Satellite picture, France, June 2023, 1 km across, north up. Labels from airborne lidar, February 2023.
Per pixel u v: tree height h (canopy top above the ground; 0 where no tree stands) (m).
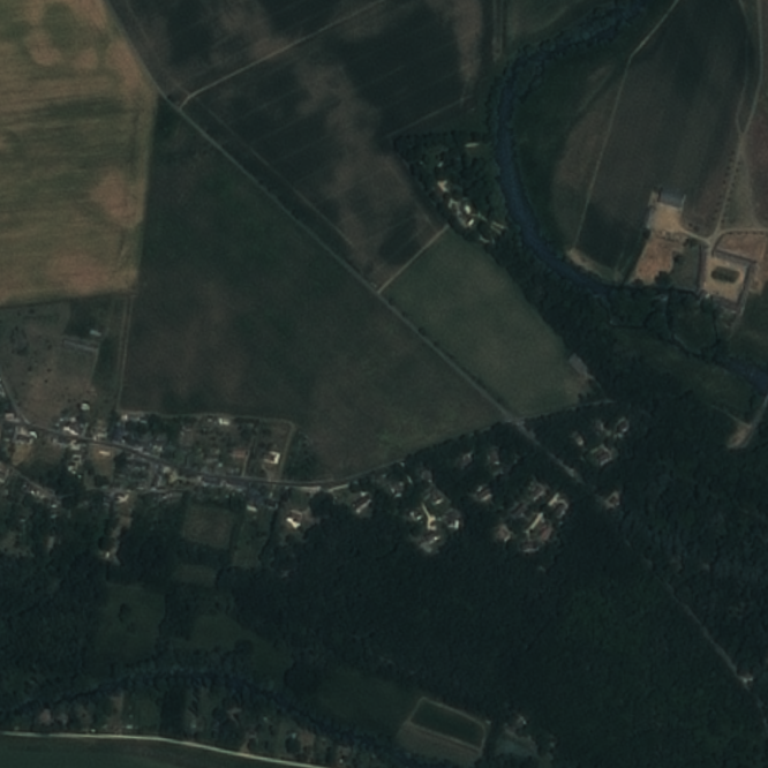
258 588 20
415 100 0
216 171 0
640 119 0
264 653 0
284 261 0
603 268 0
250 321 0
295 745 16
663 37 0
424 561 17
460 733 0
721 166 0
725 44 0
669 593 9
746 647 19
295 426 0
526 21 0
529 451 21
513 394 0
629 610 16
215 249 0
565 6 0
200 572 0
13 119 0
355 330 0
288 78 0
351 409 0
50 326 0
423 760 7
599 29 14
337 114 0
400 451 0
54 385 0
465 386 0
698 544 11
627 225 0
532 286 13
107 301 0
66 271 0
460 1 0
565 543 17
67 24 0
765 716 11
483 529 20
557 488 19
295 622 23
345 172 0
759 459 20
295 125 0
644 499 21
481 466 17
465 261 0
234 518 0
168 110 0
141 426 7
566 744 16
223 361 0
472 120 0
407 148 18
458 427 0
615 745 17
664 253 0
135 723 0
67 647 12
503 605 18
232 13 0
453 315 0
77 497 9
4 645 18
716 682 13
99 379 0
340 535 17
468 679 17
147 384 0
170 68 0
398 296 0
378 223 0
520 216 0
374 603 21
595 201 0
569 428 20
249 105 0
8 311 0
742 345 0
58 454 0
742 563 16
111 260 0
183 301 0
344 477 0
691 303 23
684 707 11
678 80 0
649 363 17
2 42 0
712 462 18
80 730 7
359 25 0
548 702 20
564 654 12
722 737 9
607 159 0
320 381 0
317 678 17
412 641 17
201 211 0
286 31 0
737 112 0
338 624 24
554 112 0
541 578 16
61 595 15
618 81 0
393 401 0
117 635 0
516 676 18
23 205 0
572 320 24
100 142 0
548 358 0
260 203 0
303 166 0
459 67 0
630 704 13
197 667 26
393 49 0
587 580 17
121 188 0
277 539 12
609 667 16
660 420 22
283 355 0
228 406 0
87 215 0
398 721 0
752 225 0
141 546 13
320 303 0
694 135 0
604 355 23
